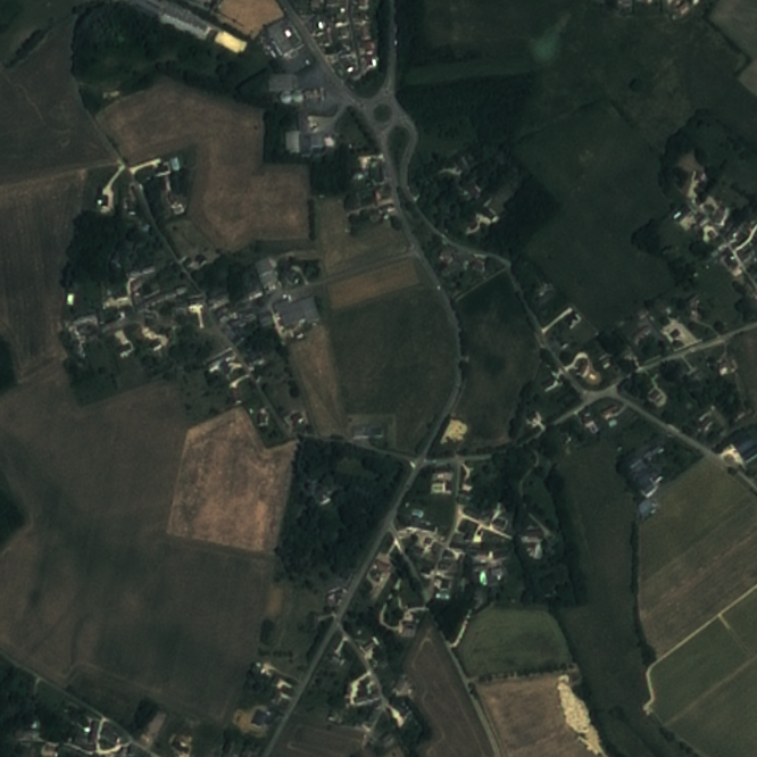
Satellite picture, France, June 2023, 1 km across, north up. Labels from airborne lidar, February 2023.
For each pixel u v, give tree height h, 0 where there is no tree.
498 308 0
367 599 7
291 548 15
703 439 13
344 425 0
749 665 0
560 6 0
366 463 12
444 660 0
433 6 0
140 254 12
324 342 0
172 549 0
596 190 0
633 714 0
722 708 0
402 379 0
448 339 0
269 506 0
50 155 0
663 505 0
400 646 14
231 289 7
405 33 16
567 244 0
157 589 0
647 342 11
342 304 0
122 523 0
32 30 0
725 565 0
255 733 0
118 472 0
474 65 0
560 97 0
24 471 0
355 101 0
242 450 0
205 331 0
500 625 0
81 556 0
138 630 0
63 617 0
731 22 0
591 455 0
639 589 9
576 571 14
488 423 0
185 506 0
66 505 0
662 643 0
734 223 8
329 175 7
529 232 11
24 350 0
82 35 14
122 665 0
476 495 13
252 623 0
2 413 0
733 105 0
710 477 0
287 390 0
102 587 0
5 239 0
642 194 0
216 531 0
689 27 0
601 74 0
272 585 0
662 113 0
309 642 0
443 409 0
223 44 0
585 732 0
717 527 0
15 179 0
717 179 10
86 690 0
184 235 0
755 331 0
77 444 0
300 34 0
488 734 0
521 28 0
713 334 8
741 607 0
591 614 0
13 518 21
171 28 12
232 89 17
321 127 0
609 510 0
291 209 0
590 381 0
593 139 0
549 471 10
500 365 0
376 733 0
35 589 0
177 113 0
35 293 0
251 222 0
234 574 0
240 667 0
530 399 12
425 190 8
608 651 0
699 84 0
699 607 0
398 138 0
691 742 0
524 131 0
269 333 9
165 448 0
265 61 0
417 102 9
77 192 0
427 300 0
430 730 8
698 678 0
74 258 8
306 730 0
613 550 0
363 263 0
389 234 0
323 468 18
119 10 16
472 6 0
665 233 0
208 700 0
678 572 0
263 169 0
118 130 0
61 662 0
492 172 14
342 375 0
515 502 19
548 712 0
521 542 16
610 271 0
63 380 0
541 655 0
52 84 0
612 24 0
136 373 0
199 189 0
